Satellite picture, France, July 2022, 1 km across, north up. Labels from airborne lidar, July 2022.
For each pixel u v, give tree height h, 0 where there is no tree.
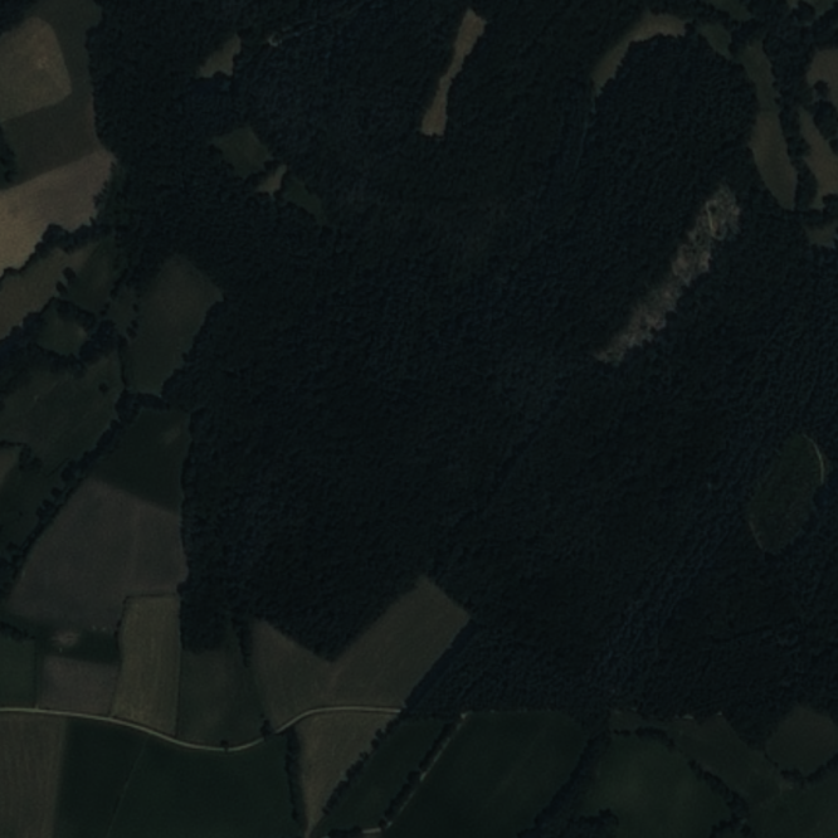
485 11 18
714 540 18
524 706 16
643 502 19
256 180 18
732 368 17
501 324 18
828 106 20
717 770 0
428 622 0
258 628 0
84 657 0
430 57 13
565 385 20
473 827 0
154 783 0
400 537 22
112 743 0
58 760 0
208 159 20
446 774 0
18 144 0
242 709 0
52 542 0
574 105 28
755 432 18
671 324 13
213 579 25
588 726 18
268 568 7
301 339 15
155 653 0
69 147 0
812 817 0
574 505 17
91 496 0
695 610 23
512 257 22
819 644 21
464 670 23
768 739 7
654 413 19
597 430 20
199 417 26
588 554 16
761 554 21
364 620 14
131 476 0
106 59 18
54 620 0
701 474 14
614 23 19
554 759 0
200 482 25
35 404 0
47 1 0
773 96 0
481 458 14
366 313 18
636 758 0
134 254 17
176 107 26
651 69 17
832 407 24
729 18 14
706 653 12
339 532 15
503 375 25
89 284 0
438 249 24
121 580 0
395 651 0
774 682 11
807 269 20
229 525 25
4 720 0
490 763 0
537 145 18
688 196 15
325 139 16
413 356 19
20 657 0
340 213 16
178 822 0
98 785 0
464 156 17
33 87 0
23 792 0
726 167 17
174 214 20
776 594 9
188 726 0
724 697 14
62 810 0
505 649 18
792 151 13
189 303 0
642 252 18
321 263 16
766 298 20
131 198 21
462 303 19
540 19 19
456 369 20
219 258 19
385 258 17
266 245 17
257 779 0
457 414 18
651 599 16
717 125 7
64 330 0
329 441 19
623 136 16
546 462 21
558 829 18
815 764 0
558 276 16
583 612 20
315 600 12
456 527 21
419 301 14
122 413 16
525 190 20
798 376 23
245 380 27
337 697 0
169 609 0
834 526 27
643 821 0
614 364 7
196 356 16
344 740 0
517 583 25
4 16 19
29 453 12
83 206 0
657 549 18
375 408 22
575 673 27
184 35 16
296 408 21
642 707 13
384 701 0
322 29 13
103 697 0
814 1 0
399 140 20
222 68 0
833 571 24
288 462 12
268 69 12
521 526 23
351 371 17
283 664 0
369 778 0
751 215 18
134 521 0
